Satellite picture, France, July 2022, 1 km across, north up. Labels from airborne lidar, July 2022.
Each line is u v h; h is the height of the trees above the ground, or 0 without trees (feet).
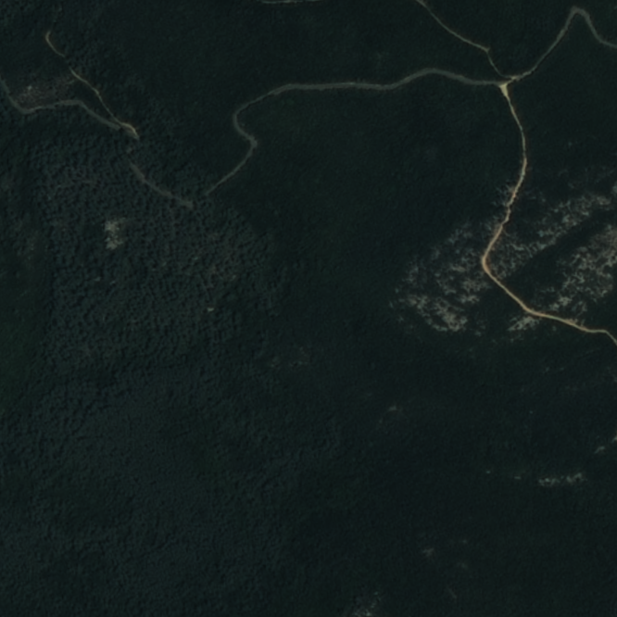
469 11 21
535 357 23
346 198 24
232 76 27
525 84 32
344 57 27
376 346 30
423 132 46
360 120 28
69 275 59
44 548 50
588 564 39
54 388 29
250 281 52
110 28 21
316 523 26
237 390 25
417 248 25
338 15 25
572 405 18
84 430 82
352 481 53
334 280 28
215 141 27
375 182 34
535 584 23
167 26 24
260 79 30
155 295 72
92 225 50
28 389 59
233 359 35
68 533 56
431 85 30
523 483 31
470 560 22
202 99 29
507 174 20
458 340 19
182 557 68
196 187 70
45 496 37
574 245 17
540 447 22
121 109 41
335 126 25
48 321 55
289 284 25
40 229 26
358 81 57
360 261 23
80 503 29
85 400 89
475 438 27
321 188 32
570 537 36
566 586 29
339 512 22
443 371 23
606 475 28
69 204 59
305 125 30
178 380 69
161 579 65
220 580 28
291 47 26
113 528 54
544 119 25
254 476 42
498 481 29
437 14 27
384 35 29
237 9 24
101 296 55
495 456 52
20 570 49
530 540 26
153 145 61
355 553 27
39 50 19
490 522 29
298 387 20
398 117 26
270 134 33
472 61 24
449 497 25
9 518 63
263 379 52
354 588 22
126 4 30
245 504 59
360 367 19
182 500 66
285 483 57
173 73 21
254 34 24
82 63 51
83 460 64
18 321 19
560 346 25
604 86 37
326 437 42
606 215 20
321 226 30
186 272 67
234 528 64
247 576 37
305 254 51
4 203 18
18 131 47
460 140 27
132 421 68
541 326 18
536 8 32
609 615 40
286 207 54
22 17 44
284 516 37
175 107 31
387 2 25
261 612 28
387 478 30
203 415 49
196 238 64
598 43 23
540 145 26
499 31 21
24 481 40
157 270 80
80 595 26
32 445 76
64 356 74
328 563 37
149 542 41
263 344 57
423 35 30
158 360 80
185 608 51
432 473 19
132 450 73
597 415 22
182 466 77
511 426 23
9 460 22
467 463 32
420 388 22
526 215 19
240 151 28
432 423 18
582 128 27
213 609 36
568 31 19
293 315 26
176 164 31
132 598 52
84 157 71
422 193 32
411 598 21
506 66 30
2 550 54
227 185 26
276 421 37
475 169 28
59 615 39
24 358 36
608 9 26
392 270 27
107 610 44
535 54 30
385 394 17
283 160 31
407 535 34
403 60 30
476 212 23
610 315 18
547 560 23
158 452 74
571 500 24
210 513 59
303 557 28
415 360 21
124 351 21
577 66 21
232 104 28
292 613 28
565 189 21
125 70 23
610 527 38
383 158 22
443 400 25
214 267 79
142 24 25
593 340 23
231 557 58
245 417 44
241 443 46
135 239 67
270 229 56
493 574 26
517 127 22
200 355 68
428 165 38
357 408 24
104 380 57
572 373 18
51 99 18
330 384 23
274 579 41
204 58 19
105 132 25
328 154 24
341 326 25
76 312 76
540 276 17
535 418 22
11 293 21
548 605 25
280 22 26
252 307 41
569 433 23
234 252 57
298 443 34
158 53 23
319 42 29
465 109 28
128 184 70
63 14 25
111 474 70
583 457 22
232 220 55
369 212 39
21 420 75
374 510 45
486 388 61
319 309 28
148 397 78
